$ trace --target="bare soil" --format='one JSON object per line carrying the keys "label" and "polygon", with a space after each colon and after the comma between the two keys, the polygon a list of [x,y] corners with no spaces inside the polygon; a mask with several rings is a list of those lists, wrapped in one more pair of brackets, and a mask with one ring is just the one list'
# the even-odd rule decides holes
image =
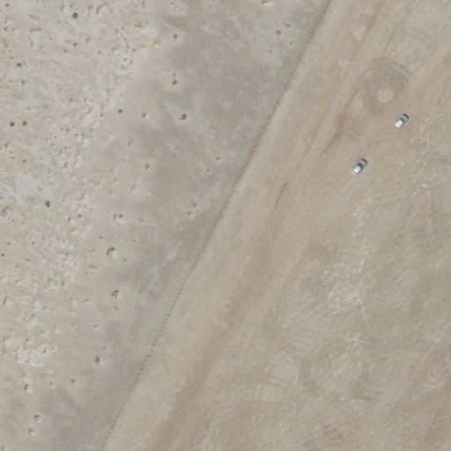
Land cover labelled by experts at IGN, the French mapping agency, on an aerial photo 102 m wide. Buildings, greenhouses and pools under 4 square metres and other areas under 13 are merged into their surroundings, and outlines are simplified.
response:
{"label": "bare soil", "polygon": [[0,451],[451,451],[451,0],[0,0]]}

